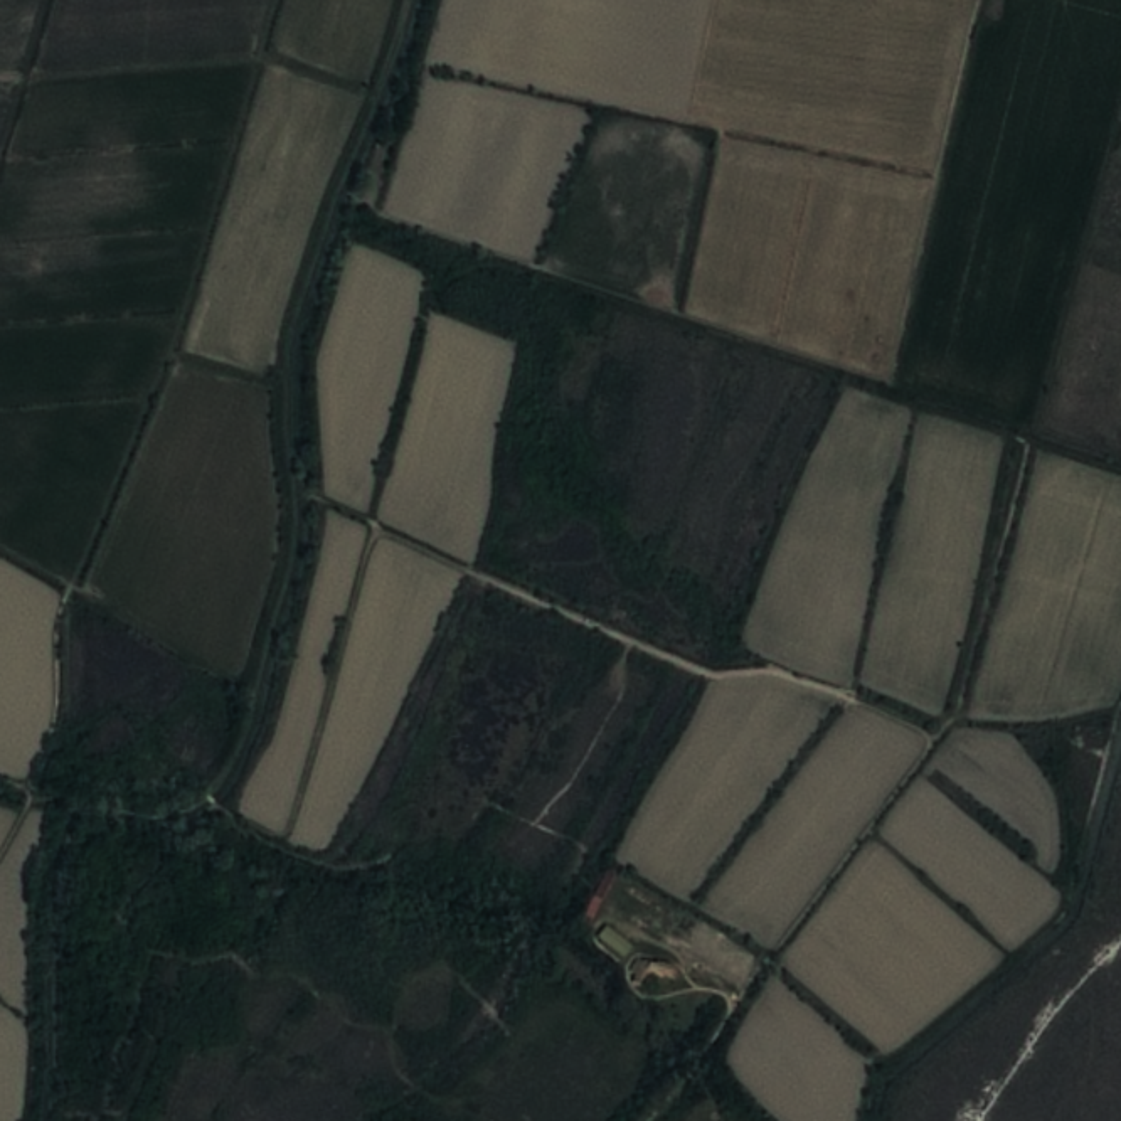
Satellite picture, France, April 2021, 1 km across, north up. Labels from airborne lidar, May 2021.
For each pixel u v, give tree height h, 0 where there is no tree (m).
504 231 0
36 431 0
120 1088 7
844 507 0
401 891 8
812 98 0
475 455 0
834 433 0
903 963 0
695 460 0
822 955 0
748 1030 0
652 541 5
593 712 0
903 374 0
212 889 14
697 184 0
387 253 6
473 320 8
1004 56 0
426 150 0
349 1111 0
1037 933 0
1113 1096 0
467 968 8
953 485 0
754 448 0
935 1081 0
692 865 0
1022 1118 0
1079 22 0
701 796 0
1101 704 0
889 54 0
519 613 7
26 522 0
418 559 0
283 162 0
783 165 0
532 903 7
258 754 7
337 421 0
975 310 0
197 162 0
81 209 0
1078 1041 0
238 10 0
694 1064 21
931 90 0
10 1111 0
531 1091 0
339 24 0
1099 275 0
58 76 0
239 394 0
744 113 0
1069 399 0
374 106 0
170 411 0
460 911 22
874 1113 7
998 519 0
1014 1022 0
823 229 0
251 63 0
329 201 0
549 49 0
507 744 0
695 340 0
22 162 0
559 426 7
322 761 0
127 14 0
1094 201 0
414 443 0
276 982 0
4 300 0
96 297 0
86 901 14
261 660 0
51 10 0
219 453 0
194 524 0
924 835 0
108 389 0
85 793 17
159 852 6
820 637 0
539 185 0
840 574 0
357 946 7
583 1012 0
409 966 7
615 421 0
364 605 0
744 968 0
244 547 0
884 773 0
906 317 0
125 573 0
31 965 7
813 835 0
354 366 0
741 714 0
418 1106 6
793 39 0
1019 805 0
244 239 0
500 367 0
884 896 0
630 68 0
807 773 0
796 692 0
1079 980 0
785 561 0
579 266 0
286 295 0
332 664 9
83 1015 9
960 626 0
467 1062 7
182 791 15
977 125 0
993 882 0
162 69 0
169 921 9
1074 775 0
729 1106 6
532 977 15
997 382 0
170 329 0
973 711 0
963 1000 0
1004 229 0
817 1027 0
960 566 0
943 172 0
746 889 0
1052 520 0
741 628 7
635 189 0
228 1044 7
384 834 8
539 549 0
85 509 0
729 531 0
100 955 9
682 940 0
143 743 7
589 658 6
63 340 0
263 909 7
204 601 0
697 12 0
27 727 0
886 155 0
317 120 0
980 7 0
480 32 0
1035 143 0
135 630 6
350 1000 6
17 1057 0
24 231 0
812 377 0
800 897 0
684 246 0
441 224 0
